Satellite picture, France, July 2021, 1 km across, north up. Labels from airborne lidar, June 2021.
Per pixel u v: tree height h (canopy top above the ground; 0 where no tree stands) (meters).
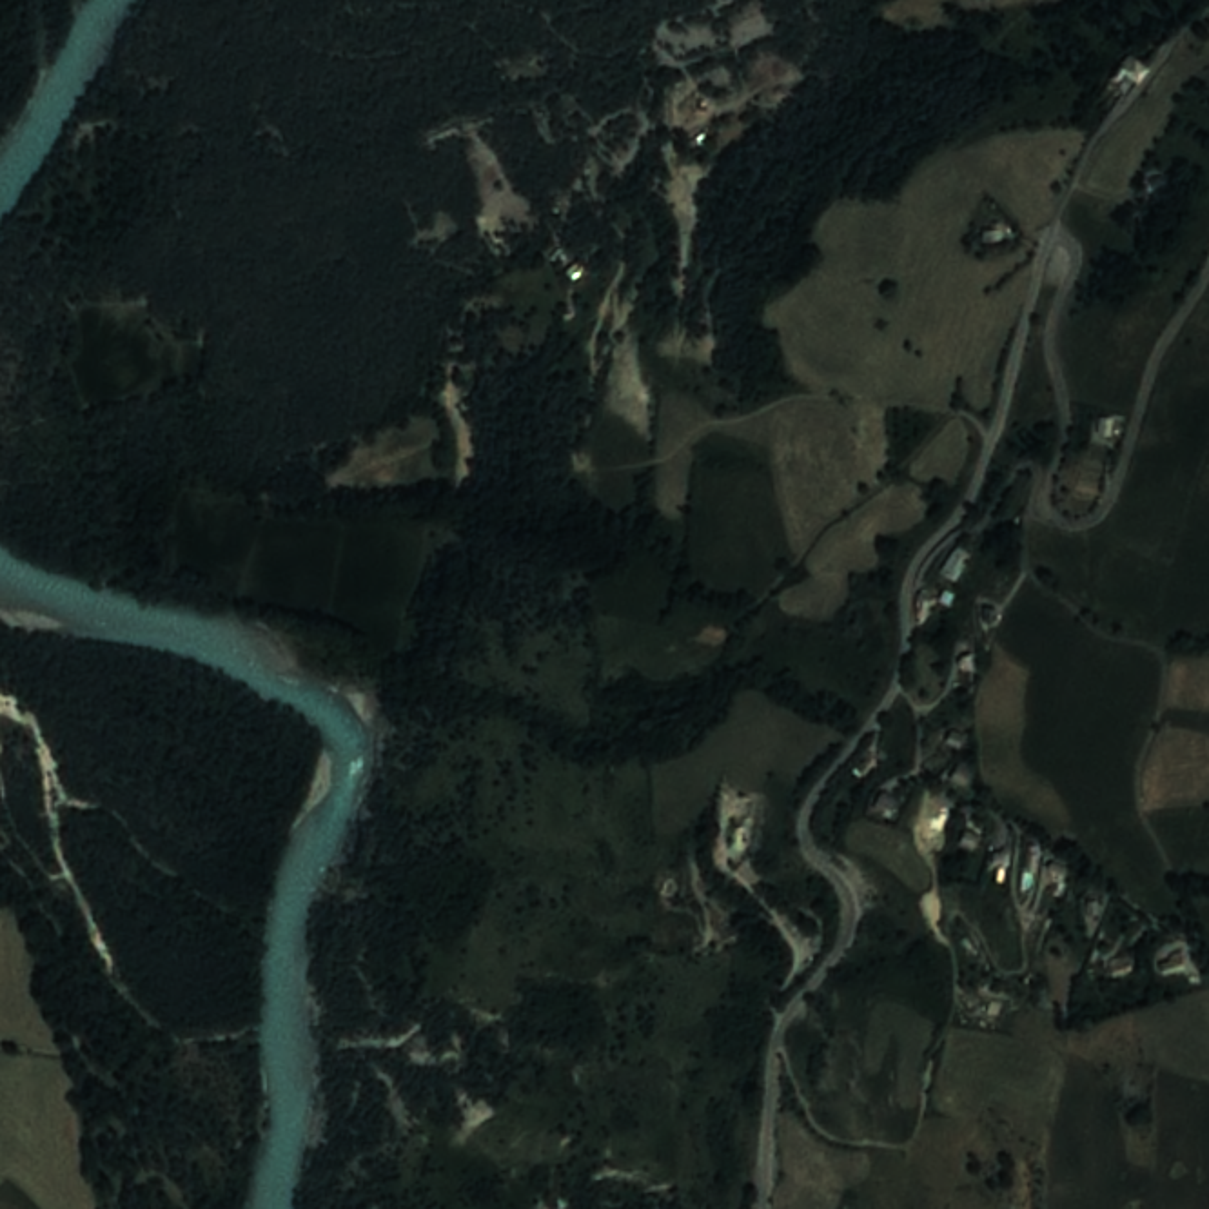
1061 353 0
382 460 0
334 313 11
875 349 0
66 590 0
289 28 6
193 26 11
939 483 10
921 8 0
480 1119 0
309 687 0
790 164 10
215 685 13
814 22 10
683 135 16
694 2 7
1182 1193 0
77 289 10
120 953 13
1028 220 0
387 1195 7
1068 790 0
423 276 7
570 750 13
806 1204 0
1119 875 0
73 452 6
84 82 0
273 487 17
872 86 8
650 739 11
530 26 8
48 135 0
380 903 8
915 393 0
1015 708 0
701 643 0
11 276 8
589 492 12
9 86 15
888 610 6
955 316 0
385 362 9
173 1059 9
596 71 9
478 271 7
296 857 0
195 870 14
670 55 7
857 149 13
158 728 14
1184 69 0
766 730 0
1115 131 0
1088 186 0
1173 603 0
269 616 18
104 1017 16
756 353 8
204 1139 11
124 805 10
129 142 13
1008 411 0
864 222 0
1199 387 0
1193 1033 0
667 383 0
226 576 0
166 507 10
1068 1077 0
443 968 0
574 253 12
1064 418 0
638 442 0
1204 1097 0
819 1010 5
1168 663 0
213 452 12
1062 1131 0
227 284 11
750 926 17
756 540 0
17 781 7
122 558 12
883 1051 0
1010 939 0
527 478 10
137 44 10
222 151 8
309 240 9
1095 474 0
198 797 16
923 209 0
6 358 7
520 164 9
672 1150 0
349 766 0
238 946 13
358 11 8
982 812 13
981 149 0
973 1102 0
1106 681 0
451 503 20
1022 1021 0
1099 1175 0
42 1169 0
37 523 10
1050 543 0
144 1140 18
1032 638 0
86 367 0
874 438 0
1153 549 0
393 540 0
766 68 0
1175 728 0
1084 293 10
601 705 5
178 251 8
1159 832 0
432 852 8
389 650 0
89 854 9
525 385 11
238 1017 10
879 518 0
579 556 10
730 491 0
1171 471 0
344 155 11
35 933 24
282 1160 0
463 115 10
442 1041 6
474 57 8
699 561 0
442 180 7
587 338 0
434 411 9
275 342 9
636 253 9
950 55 16
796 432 0
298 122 10
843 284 0
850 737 7
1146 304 0
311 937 9
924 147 10
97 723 15
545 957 0
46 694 11
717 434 0
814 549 0
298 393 10
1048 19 18
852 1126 0
